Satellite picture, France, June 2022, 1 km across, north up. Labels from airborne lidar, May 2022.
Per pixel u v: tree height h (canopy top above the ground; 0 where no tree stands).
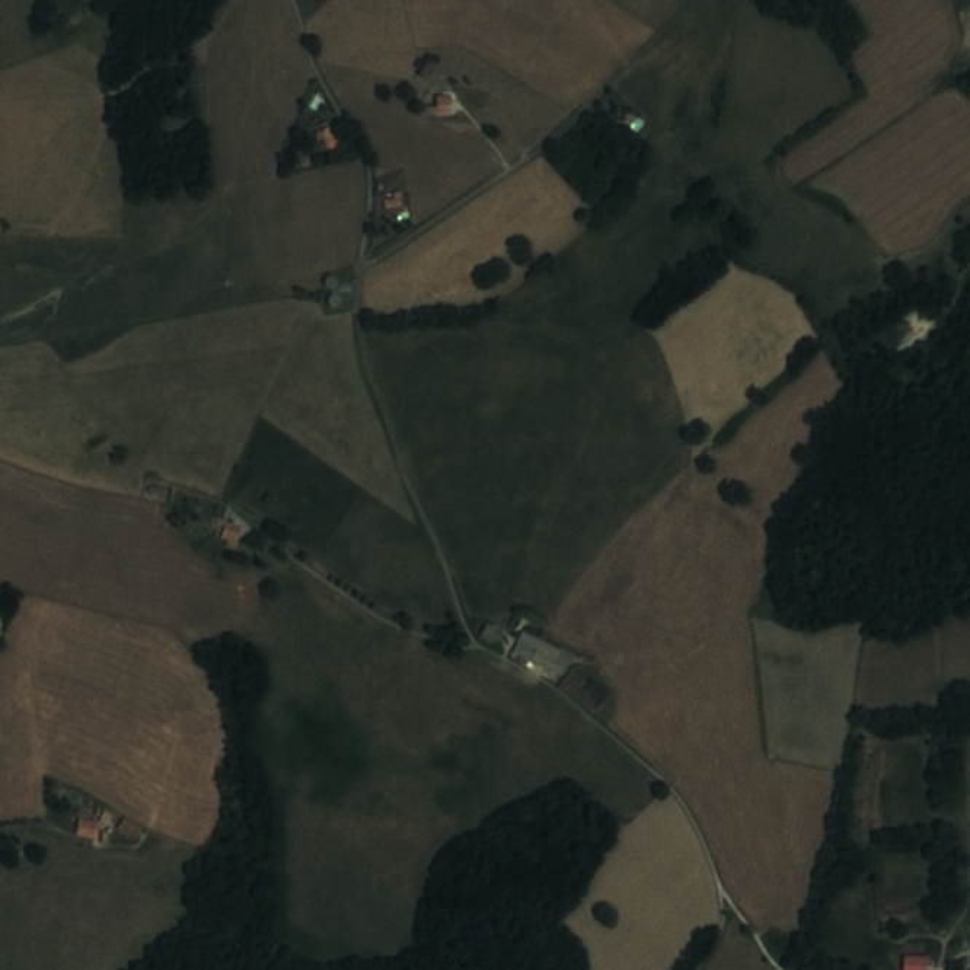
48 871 0
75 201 0
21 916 0
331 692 0
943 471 14
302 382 0
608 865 0
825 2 23
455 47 0
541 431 0
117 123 18
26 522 0
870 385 18
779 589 16
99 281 0
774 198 0
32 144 0
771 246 0
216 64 0
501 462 0
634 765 0
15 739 0
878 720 21
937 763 15
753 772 0
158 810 0
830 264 0
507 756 0
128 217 0
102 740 0
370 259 0
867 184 0
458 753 0
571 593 0
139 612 0
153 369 0
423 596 0
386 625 0
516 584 0
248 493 0
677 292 18
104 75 15
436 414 0
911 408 18
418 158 0
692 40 0
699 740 0
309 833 0
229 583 0
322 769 0
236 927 18
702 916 0
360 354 0
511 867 14
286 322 0
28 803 0
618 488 0
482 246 0
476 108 0
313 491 0
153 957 22
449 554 0
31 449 0
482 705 0
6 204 0
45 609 0
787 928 0
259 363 0
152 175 13
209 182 16
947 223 0
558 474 0
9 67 0
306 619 0
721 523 0
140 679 0
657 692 0
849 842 19
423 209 0
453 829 0
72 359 0
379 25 0
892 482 20
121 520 0
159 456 0
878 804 0
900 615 19
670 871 0
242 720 19
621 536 0
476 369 0
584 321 0
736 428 0
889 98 0
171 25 18
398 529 0
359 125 17
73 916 0
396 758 0
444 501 0
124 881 0
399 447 0
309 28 0
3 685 0
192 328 0
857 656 0
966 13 0
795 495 15
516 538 0
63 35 0
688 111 0
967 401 24
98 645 0
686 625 0
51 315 0
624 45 0
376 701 0
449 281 0
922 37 0
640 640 0
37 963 0
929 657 0
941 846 18
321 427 0
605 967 0
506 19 0
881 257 0
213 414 0
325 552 0
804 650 0
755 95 0
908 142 0
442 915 9
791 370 13
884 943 0
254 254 0
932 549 14
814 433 9
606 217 17
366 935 0
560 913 22
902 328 0
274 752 0
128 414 0
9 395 0
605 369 0
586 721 0
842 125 0
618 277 0
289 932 0
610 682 0
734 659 0
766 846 0
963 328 14
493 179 0
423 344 0
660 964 0
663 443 0
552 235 0
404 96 12
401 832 0
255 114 0
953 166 0
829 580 27
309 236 0
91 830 0
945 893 25
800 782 0
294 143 14
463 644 11
